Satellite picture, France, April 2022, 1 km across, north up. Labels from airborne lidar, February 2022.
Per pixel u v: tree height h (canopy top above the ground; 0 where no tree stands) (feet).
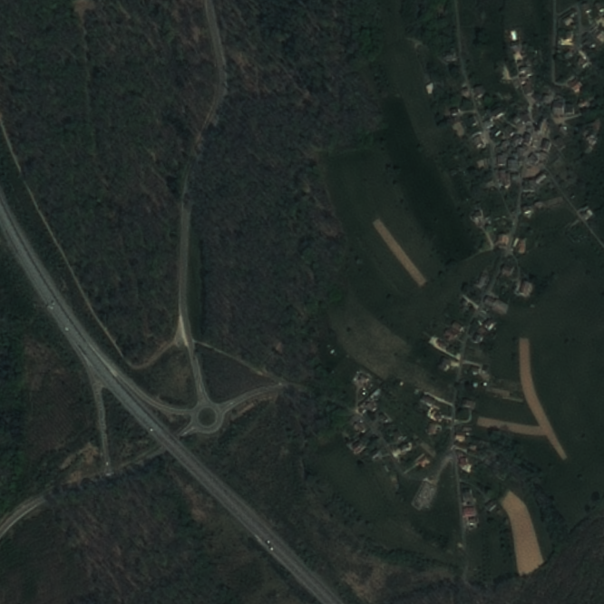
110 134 87
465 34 0
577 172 0
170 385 0
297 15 37
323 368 61
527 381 0
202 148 0
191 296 0
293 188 95
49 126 89
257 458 0
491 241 0
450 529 0
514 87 0
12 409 87
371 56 67
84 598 20
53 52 0
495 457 0
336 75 97
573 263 0
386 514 0
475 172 49
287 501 0
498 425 0
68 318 0
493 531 0
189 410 0
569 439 0
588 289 0
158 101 0
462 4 0
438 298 0
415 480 0
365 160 0
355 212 0
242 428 0
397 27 0
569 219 0
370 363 0
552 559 27
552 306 0
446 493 0
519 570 0
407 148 0
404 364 0
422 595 65
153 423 0
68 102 91
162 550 0
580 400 0
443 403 0
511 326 0
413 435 0
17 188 0
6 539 20
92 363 0
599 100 39
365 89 97
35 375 0
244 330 96
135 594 110
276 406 0
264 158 93
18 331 87
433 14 84
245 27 0
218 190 89
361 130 98
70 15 83
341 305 0
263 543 0
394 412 0
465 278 0
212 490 0
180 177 78
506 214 0
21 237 0
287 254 99
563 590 31
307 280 97
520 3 0
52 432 29
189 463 0
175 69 89
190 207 73
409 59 0
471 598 79
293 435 0
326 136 112
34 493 0
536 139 0
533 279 42
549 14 0
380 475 0
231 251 88
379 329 0
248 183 87
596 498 0
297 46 60
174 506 96
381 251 0
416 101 0
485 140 0
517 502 0
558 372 0
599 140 21
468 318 29
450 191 0
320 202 89
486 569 0
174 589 101
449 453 0
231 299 0
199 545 84
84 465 0
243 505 0
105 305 77
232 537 0
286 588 0
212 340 65
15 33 0
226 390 0
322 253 103
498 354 0
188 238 0
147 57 0
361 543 0
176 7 104
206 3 0
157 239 101
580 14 0
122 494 100
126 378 0
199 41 0
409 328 0
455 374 0
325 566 0
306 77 92
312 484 62
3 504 61
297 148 102
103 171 39
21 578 19
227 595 73
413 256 0
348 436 0
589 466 0
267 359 90
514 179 0
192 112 87
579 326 0
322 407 91
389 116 0
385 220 0
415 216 0
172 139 94
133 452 0
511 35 0
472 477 0
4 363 71
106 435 0
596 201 0
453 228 0
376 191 0
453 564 0
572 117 0
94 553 0
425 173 0
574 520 0
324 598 0
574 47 0
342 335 0
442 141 0
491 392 0
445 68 0
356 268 0
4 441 106
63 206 88
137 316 80
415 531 0
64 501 96
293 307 105
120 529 106
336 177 0
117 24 0
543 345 0
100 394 0
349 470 0
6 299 0
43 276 0
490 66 0
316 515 0
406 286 0
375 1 56
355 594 0
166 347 0
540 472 27
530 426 0
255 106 82
